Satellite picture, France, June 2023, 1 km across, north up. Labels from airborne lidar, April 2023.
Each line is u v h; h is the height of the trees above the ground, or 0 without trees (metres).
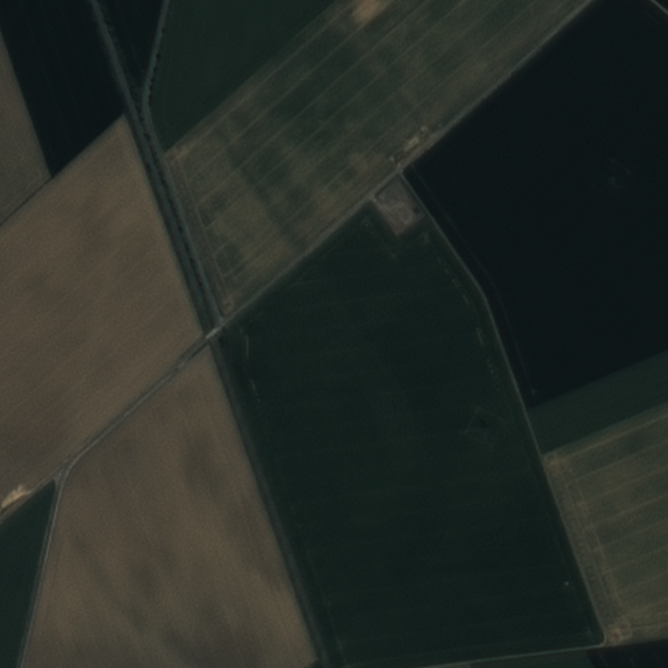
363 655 0
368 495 0
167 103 0
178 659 0
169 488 0
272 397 0
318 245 0
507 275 0
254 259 0
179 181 0
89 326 0
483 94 0
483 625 0
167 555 0
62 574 0
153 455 0
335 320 0
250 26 0
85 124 0
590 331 0
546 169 0
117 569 0
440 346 0
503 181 0
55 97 0
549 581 0
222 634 0
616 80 0
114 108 0
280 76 0
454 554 0
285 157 0
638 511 0
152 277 0
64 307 0
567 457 0
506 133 0
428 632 0
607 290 0
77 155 0
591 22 0
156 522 0
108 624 0
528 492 0
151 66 0
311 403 0
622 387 0
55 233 0
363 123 0
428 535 0
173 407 0
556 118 0
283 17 0
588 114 0
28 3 0
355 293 0
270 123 0
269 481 0
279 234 0
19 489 0
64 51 0
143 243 0
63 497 0
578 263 0
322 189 0
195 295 0
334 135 0
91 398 0
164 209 0
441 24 0
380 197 0
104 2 11
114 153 0
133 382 0
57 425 0
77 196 0
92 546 0
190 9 0
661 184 0
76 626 0
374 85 0
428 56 0
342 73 0
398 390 0
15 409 0
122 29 0
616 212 0
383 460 0
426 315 0
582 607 0
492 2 0
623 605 0
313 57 0
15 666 0
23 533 0
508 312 0
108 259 0
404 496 0
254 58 0
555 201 0
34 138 0
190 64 0
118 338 0
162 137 0
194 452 0
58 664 0
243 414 0
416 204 0
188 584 0
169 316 0
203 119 0
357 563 0
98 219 0
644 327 0
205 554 0
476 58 0
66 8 0
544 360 0
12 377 0
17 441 0
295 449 0
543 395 0
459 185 0
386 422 0
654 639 0
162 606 0
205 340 0
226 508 0
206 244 0
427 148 0
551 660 0
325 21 0
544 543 0
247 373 0
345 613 0
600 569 0
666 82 0
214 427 0
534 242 0
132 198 0
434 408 0
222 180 0
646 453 0
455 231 0
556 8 0
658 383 0
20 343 0
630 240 0
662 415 0
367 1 0
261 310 0
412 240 0
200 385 0
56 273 0
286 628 0
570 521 0
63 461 0
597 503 0
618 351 0
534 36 0
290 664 0
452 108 0
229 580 0
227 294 0
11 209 0
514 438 0
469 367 0
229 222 0
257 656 0
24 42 0
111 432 0
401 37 0
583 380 0
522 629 0
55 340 0
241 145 0
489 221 0
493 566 0
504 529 0
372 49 0
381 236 0
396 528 0
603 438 0
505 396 0
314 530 0
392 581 0
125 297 0
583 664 0
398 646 0
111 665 0
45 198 0
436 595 0
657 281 0
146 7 0
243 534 0
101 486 0
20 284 0
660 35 0
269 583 0
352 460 0
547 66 0
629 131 0
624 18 0
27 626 0
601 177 0
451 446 0
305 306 0
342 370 0
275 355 0
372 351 0
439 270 0
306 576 0
